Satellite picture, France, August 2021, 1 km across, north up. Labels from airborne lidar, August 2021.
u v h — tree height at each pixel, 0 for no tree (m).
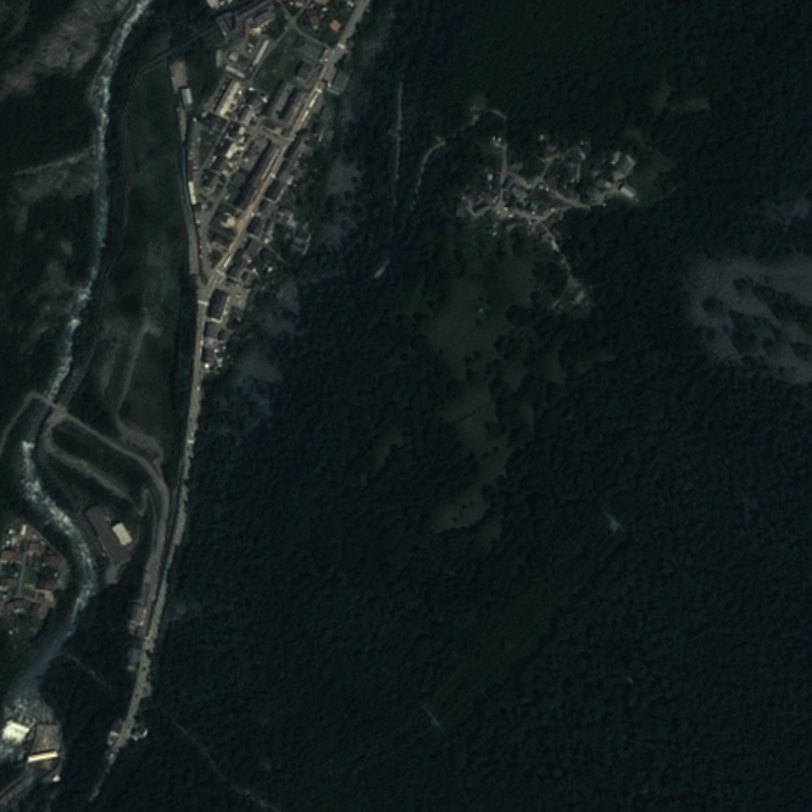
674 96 11
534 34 15
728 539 24
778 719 22
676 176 11
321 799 18
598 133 16
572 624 20
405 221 13
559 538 16
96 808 20
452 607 22
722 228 20
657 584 24
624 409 19
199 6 15
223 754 15
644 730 27
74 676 8
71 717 15
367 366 11
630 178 6
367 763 13
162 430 0
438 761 22
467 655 17
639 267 9
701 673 25
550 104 14
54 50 0
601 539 14
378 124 12
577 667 8
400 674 22
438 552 8
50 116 20
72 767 16
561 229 11
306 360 15
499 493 17
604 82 16
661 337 14
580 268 13
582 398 14
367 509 17
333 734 19
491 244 0
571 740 9
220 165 0
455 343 0
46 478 10
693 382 23
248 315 6
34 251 14
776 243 16
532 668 23
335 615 21
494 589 12
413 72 13
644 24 15
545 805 21
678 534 26
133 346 0
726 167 25
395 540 20
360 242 11
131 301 6
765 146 21
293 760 12
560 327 11
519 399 23
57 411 0
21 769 7
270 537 12
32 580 0
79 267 12
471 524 0
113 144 15
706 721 17
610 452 28
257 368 0
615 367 19
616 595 27
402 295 10
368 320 17
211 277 0
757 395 17
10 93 10
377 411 16
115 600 6
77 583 10
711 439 21
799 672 17
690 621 27
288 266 7
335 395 18
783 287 0
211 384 10
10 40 9
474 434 0
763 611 33
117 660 15
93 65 13
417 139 14
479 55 18
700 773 10
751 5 19
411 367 10
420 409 8
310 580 29
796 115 17
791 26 26
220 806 21
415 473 12
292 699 8
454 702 6
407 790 20
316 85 0
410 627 23
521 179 0
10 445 10
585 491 19
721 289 0
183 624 7
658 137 16
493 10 14
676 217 17
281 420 12
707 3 22
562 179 7
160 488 0
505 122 9
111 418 13
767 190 14
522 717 18
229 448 10
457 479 11
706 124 10
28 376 12
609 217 17
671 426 19
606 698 24
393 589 21
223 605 9
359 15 0
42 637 13
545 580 28
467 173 13
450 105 9
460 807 17
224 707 15
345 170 0
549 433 20
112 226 6
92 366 8
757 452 21
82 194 13
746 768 22
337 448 17
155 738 15
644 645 27
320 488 16
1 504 9
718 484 22
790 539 16
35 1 18
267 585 21
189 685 9
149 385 0
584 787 27
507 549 16
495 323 0
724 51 15
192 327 8
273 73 0
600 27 13
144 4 0
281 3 8
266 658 15
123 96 16
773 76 18
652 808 32
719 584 28
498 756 25
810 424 15
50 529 15
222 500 8
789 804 22
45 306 0
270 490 17
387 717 21
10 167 16
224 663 11
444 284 12
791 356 0
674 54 12
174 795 18
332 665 15
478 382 15
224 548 10
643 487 19
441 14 15
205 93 6
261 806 8
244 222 0
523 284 0
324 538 15
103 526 0
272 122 0
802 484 26
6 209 10
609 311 20
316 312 12
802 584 23
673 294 11
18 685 0
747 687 24
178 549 10
